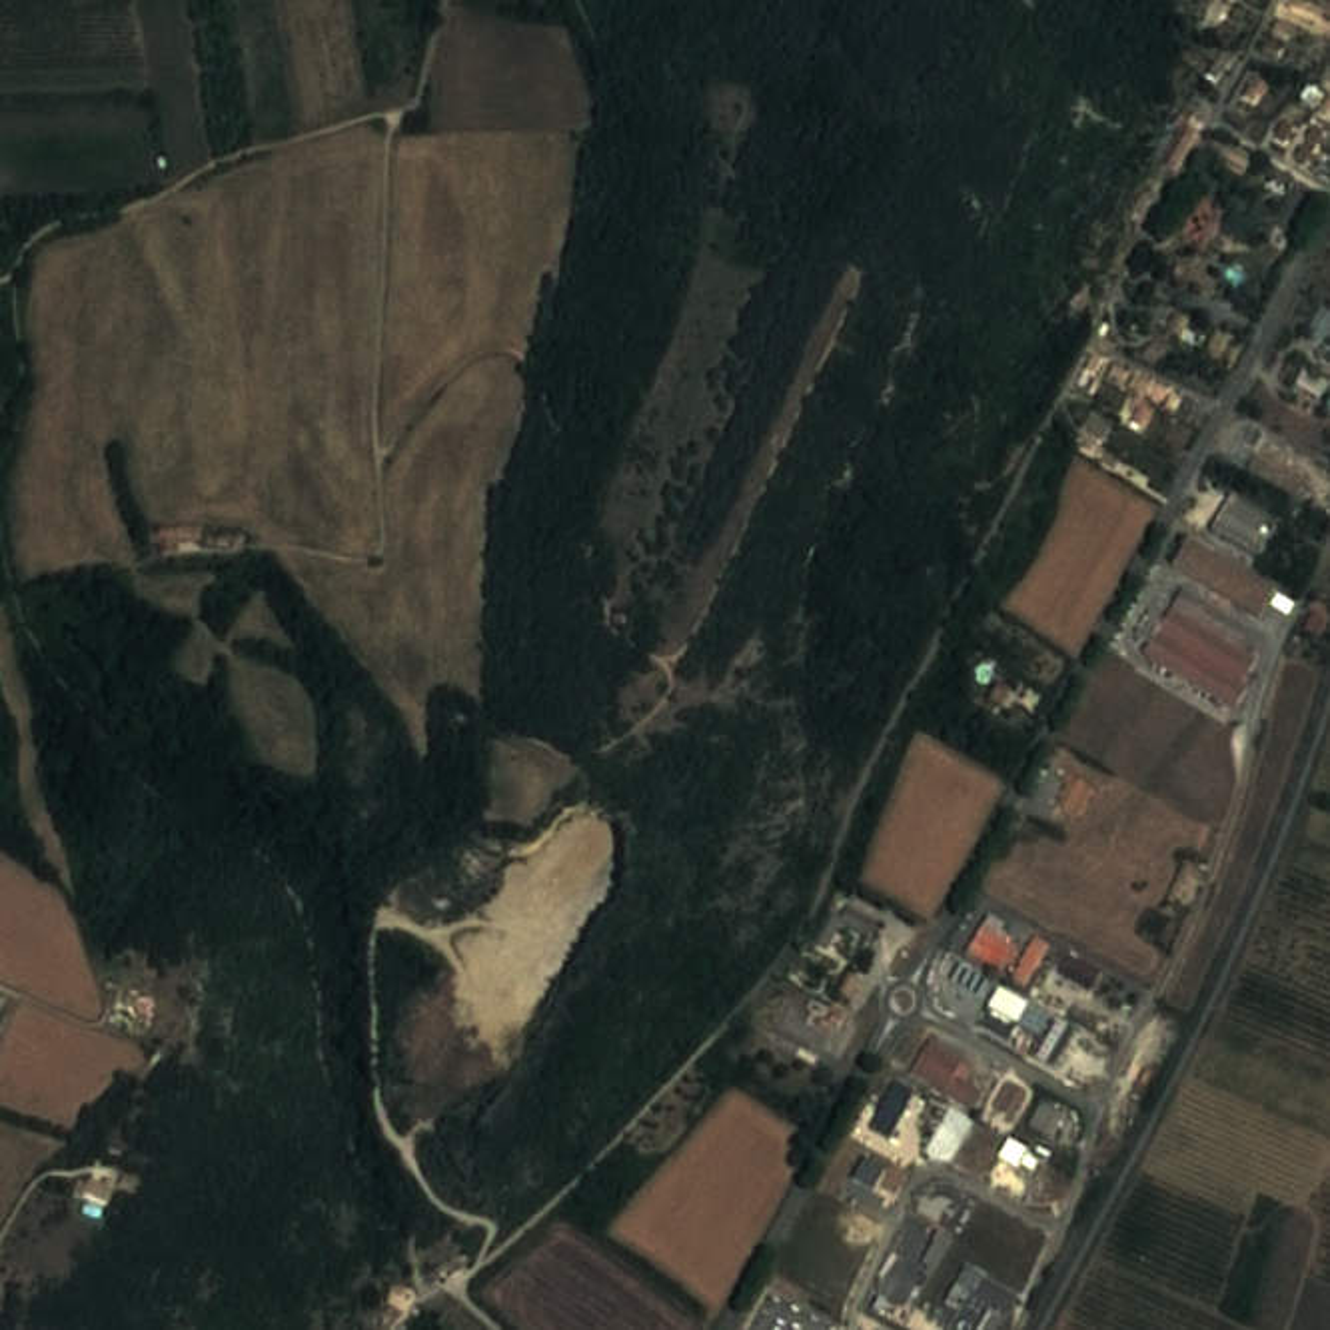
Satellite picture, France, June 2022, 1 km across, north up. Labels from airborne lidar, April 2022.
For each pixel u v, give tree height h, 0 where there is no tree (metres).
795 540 9
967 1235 0
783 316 14
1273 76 14
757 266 7
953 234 8
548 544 12
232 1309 8
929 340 9
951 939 0
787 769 6
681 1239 0
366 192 0
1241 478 9
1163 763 0
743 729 6
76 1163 6
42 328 0
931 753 0
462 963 0
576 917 0
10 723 11
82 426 0
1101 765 7
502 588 9
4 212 8
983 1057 0
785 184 7
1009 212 9
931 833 0
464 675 0
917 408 10
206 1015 6
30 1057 0
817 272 14
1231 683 0
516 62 0
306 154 0
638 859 7
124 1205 7
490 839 20
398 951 9
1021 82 6
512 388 0
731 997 10
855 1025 0
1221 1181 0
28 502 0
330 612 0
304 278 0
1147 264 16
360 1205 10
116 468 13
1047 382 11
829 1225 0
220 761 23
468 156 0
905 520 9
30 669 11
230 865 13
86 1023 0
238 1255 8
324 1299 6
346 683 7
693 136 10
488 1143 9
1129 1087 0
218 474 0
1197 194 25
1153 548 15
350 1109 17
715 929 6
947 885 0
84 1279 6
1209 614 0
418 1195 8
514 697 11
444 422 0
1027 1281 0
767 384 14
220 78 8
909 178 14
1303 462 0
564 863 0
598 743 8
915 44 18
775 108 13
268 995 6
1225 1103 0
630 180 13
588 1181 14
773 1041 0
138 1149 7
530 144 0
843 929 8
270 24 0
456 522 0
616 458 7
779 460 7
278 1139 11
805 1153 21
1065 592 0
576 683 6
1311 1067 0
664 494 10
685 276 8
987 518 7
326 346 0
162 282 0
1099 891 0
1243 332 8
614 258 12
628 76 7
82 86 0
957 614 15
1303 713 0
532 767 0
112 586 12
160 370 0
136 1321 11
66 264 0
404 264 0
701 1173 0
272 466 0
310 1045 7
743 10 14
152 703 17
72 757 18
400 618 0
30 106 0
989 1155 0
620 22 9
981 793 0
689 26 8
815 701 16
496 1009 0
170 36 0
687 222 8
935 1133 0
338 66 0
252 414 0
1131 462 6
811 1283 0
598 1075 6
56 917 0
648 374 8
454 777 18
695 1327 0
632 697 0
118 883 10
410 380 0
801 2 19
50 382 0
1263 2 7
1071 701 14
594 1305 0
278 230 0
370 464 0
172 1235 10
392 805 7
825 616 18
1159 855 0
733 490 11
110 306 0
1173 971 0
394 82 0
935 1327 0
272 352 0
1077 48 14
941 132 10
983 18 6
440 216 0
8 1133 0
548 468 9
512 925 0
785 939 13
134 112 0
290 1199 12
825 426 8
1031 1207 0
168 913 12
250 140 8
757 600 8
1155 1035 0
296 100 0
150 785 12
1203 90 11
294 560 0
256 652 9
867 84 13
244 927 6
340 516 0
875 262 6
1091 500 0
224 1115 7
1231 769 0
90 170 0
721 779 8
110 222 8
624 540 0
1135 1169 0
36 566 0
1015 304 6
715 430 9
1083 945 0
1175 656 0
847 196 13
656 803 11
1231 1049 0
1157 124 7
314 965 10
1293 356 10
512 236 0
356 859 9
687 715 9
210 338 0
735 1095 0
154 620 10
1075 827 0
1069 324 12
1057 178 9
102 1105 7
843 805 0
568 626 8
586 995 6
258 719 0
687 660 8
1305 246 19
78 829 8
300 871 12
